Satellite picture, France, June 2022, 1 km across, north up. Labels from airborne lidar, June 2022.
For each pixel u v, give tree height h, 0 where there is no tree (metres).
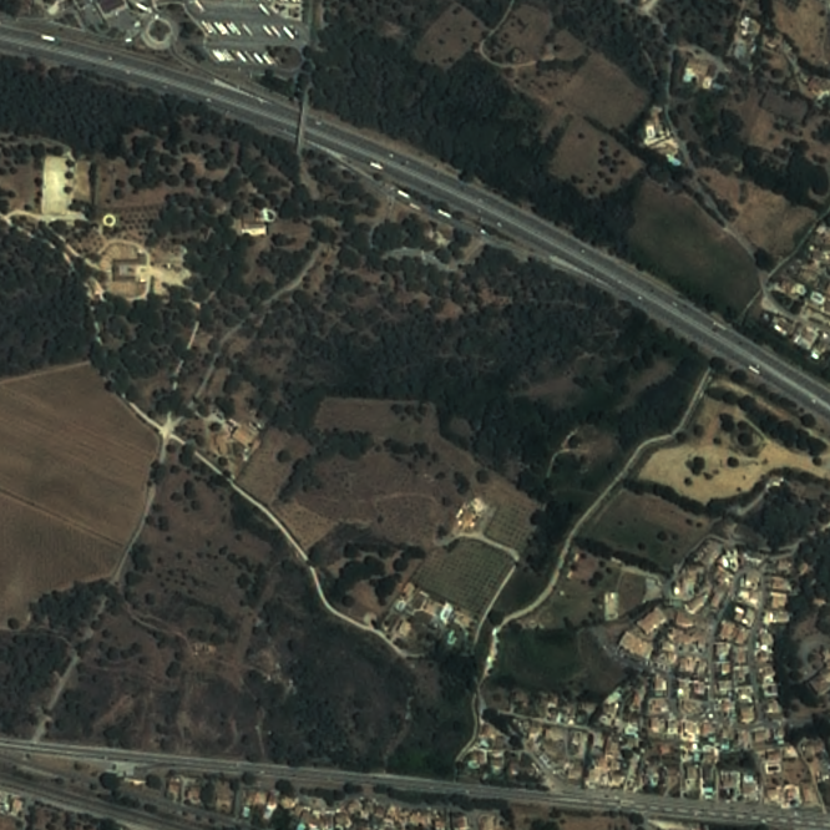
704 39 17
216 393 0
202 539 0
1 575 0
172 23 0
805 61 10
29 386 0
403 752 11
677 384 9
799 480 6
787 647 11
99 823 10
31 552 0
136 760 0
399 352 11
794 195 13
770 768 0
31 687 8
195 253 11
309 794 8
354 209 12
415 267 13
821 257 0
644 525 0
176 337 10
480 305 18
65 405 0
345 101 8
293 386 12
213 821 7
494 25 12
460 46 0
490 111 13
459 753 6
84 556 0
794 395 0
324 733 10
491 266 15
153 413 8
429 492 0
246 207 11
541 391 0
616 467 10
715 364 14
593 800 0
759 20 9
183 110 13
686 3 19
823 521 14
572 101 0
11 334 11
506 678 9
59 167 0
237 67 0
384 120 10
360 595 0
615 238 11
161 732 8
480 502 0
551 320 11
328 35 12
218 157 15
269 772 0
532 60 0
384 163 0
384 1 10
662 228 0
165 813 0
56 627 10
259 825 7
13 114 14
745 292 0
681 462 0
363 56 12
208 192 16
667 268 0
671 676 0
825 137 8
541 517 14
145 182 9
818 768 0
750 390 0
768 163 7
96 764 0
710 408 0
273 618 10
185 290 12
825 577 13
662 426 8
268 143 12
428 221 0
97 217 8
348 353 9
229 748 0
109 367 12
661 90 14
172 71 0
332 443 13
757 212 0
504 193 7
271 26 0
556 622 0
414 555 12
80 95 13
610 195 8
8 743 0
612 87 0
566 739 0
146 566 12
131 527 0
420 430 0
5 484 0
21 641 11
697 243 0
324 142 0
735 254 0
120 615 6
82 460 0
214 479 8
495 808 13
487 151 13
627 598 0
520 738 8
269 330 7
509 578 0
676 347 6
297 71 0
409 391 15
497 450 10
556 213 12
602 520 0
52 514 0
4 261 13
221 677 0
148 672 0
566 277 12
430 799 12
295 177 10
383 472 0
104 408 0
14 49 0
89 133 11
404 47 13
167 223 10
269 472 0
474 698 6
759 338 11
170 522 7
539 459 11
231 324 10
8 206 8
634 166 0
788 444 10
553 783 0
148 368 12
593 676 0
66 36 0
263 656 0
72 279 11
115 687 0
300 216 10
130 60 0
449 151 10
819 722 13
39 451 0
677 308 0
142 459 0
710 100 9
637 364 13
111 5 0
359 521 0
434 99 15
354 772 9
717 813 0
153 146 12
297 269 7
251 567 6
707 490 0
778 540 7
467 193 0
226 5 0
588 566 0
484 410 13
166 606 0
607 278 0
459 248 11
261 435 0
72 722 0
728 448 0
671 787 0
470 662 14
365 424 0
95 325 9
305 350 8
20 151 11
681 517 0
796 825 0
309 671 7
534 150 7
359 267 10
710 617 0
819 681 0
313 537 0
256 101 0
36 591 0
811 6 0
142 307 12
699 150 7
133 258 0
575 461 10
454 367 7
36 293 9
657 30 16
